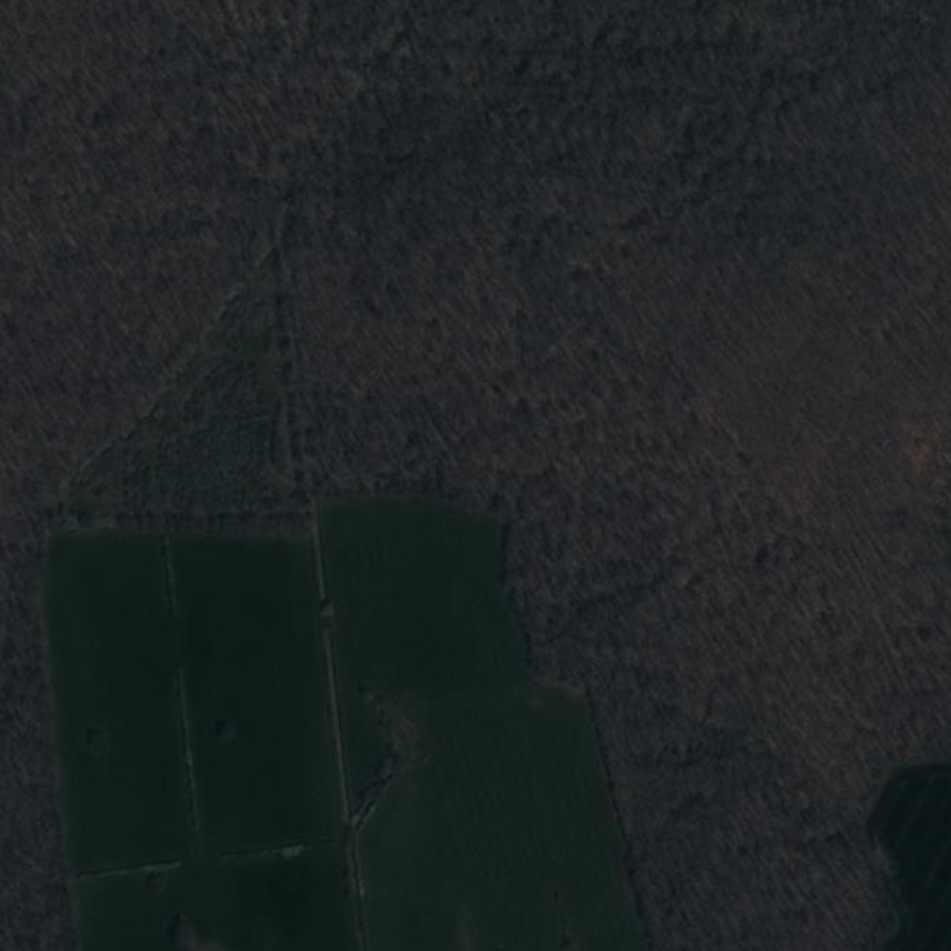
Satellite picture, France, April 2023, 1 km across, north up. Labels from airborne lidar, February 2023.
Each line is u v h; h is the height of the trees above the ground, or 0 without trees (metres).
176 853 0
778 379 20
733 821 23
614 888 0
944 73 21
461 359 21
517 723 0
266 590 0
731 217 8
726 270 21
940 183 21
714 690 20
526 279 24
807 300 18
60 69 19
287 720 0
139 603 0
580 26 23
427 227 22
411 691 0
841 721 23
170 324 18
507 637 0
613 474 24
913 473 20
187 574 0
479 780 0
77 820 0
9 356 22
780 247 21
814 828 20
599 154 18
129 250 20
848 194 15
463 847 0
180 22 16
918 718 18
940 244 18
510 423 21
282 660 0
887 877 0
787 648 23
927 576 21
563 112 21
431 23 23
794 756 23
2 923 20
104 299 21
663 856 20
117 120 18
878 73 20
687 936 23
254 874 0
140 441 6
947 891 0
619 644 21
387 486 18
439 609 0
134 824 0
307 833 0
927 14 16
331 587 0
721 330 19
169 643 0
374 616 0
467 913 0
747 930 19
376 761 0
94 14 13
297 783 0
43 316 24
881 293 23
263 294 7
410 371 17
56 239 20
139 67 19
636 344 18
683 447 18
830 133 21
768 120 22
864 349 15
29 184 18
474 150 18
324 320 18
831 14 20
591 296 23
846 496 18
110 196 14
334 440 20
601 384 22
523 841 0
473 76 11
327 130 24
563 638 20
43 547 14
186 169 18
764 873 19
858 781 22
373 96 11
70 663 0
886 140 23
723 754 18
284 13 11
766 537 20
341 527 0
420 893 0
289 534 13
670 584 21
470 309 21
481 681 0
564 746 0
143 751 0
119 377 16
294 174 23
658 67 20
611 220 16
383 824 0
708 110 19
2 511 19
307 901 0
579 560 22
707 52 19
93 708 0
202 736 0
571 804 0
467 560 0
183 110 21
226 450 8
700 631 23
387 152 23
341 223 16
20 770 22
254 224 20
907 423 22
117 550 0
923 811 0
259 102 21
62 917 20
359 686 0
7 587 15
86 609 0
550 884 0
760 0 19
